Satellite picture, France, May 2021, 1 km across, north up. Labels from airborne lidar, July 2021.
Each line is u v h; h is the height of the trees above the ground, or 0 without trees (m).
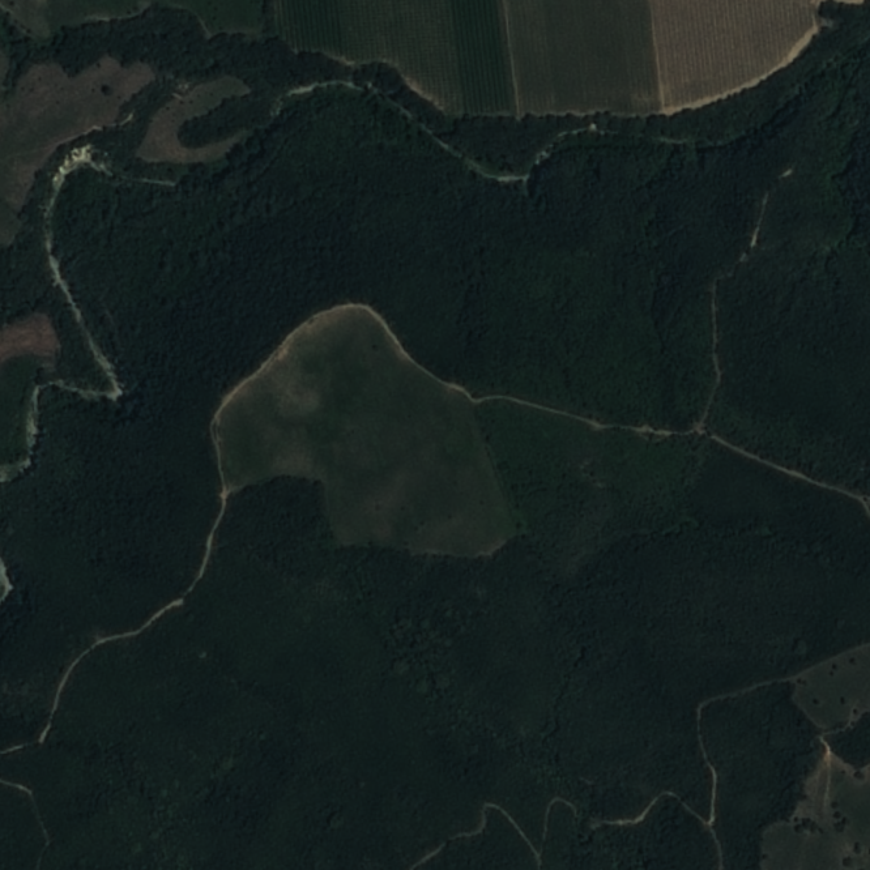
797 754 8
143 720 7
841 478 8
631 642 8
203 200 8
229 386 9
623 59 0
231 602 6
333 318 0
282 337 6
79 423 7
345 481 0
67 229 11
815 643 9
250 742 7
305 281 7
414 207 11
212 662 5
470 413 0
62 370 7
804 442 7
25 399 7
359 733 6
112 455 6
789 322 10
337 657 5
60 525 9
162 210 7
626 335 6
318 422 0
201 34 8
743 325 9
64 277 15
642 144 8
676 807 6
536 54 0
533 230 10
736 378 8
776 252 6
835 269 10
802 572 6
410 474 0
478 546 0
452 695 7
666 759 9
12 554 6
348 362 0
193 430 6
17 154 0
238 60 19
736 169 11
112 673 7
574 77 0
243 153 28
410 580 6
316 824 8
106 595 7
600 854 14
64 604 6
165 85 8
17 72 11
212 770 7
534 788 6
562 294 7
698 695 6
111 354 7
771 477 6
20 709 7
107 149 8
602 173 13
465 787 7
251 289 8
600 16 0
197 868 6
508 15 0
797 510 8
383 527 0
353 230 10
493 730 7
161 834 7
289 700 8
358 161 10
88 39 20
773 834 0
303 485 9
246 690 6
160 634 5
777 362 8
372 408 0
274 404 0
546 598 11
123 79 0
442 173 8
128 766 6
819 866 0
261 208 18
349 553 9
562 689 6
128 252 8
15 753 7
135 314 12
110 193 8
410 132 7
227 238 9
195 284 7
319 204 10
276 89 11
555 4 0
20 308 16
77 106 0
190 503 6
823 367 8
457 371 7
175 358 10
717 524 8
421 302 7
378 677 7
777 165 7
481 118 9
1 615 9
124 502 8
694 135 20
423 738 6
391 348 0
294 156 10
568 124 16
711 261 7
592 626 9
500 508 0
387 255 10
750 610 6
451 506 0
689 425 6
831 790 0
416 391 0
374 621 10
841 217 9
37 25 0
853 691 0
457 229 15
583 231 15
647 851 18
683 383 7
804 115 6
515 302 7
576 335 7
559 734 6
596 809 8
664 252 10
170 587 5
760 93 15
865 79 7
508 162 23
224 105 9
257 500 7
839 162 10
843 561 10
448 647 7
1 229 0
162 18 18
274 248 11
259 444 0
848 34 9
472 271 15
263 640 6
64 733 7
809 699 0
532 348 7
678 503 8
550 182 11
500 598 7
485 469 0
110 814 6
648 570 6
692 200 10
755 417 7
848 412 8
